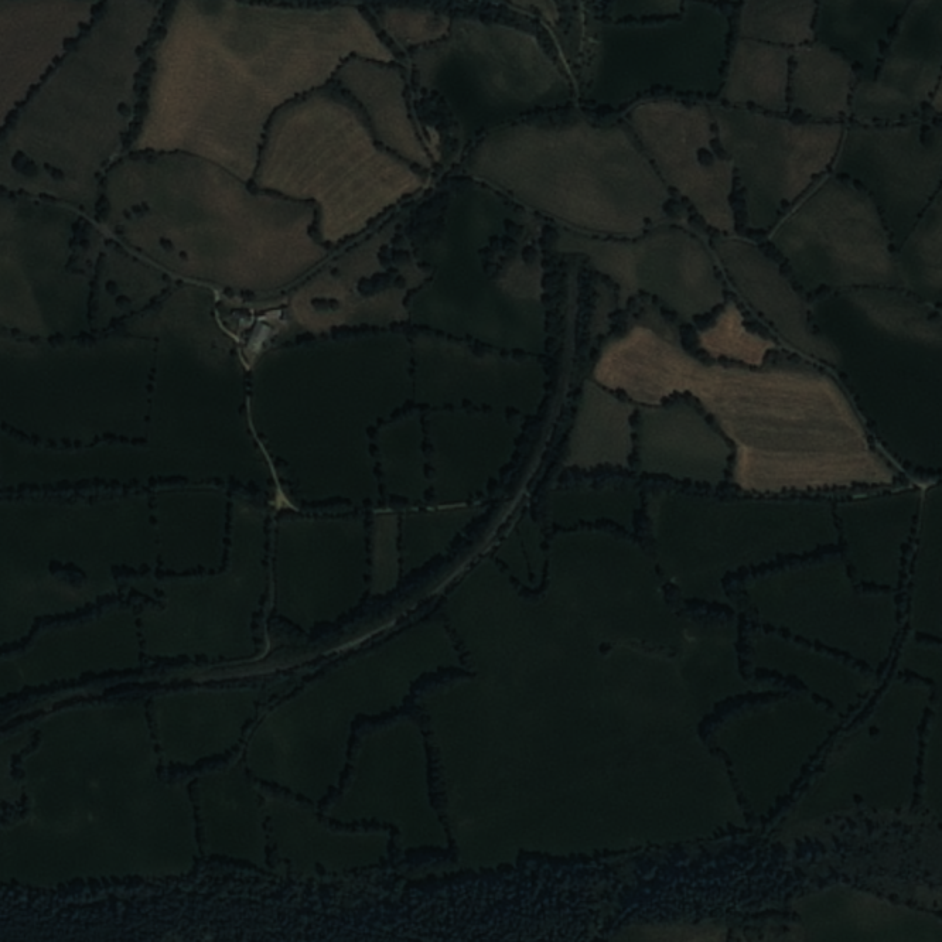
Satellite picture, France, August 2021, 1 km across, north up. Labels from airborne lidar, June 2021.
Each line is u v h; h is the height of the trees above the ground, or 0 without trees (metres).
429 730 14
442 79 0
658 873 8
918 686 9
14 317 0
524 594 13
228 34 0
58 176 11
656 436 0
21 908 11
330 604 0
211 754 0
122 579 17
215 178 0
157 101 0
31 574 0
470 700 0
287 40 0
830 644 0
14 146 0
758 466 0
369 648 11
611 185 0
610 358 0
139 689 13
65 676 0
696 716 0
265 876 9
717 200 0
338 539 0
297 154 0
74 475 0
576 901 19
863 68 12
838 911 0
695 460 0
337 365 0
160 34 12
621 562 0
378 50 0
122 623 0
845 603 0
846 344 0
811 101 0
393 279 15
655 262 0
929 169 0
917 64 0
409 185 0
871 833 12
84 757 0
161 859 0
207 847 13
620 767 0
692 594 0
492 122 0
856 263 0
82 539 0
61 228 0
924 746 9
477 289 0
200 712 0
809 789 8
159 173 0
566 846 0
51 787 0
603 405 0
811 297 8
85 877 0
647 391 0
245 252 0
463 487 0
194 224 0
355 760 11
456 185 15
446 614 11
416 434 0
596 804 0
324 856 0
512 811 0
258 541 0
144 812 0
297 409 0
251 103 0
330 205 0
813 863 8
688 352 14
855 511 0
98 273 8
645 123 0
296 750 0
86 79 0
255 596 0
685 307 0
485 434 0
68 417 0
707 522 0
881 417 0
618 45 0
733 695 0
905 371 0
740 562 0
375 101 0
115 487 10
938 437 0
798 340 0
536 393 0
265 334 0
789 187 0
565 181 0
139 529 0
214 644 0
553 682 0
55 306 0
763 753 0
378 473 9
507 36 0
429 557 0
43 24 0
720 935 0
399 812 0
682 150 0
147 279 0
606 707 0
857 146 0
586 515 0
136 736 0
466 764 0
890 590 7
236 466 0
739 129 0
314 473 0
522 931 22
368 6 9
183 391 0
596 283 9
